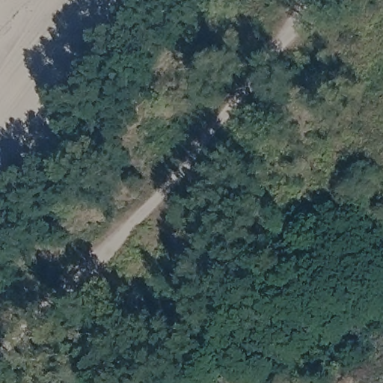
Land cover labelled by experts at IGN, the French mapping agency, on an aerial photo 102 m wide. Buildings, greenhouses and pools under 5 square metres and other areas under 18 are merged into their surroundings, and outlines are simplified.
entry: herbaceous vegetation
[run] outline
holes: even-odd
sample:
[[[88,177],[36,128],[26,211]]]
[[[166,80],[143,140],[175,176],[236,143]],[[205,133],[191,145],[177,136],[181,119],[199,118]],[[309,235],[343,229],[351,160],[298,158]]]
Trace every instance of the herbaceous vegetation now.
[[[103,272],[102,278],[105,278],[106,283],[117,283],[127,287],[138,287],[145,283],[141,277],[120,277],[117,268],[108,262],[103,262],[106,271]]]
[[[186,232],[186,229],[174,229],[166,221],[165,209],[160,209],[160,217],[157,220],[159,244],[151,253],[147,250],[141,253],[145,268],[153,275],[165,277],[166,274],[172,274],[181,260],[181,254],[190,245],[190,233]]]
[[[72,347],[81,347],[81,352],[69,361],[72,373],[78,371],[78,362],[93,349],[93,343],[87,341],[88,329],[81,328],[79,338]]]
[[[153,69],[160,72],[156,90],[150,99],[136,105],[138,117],[127,127],[127,132],[123,135],[123,145],[129,150],[138,145],[139,133],[136,129],[145,118],[172,118],[174,115],[181,117],[184,112],[189,111],[187,100],[184,99],[187,82],[186,79],[181,79],[180,75],[180,72],[186,72],[186,66],[183,63],[183,52],[175,51],[162,51],[157,63],[154,64]]]
[[[67,212],[61,223],[61,226],[66,227],[70,233],[76,233],[87,229],[87,221],[102,221],[105,215],[96,208],[79,209],[76,206]]]
[[[33,280],[15,281],[12,284],[16,295],[13,308],[27,308],[28,302],[45,301],[48,295],[60,298],[70,289],[81,289],[87,281],[81,277],[78,281],[73,280],[75,269],[79,268],[78,263],[82,257],[87,256],[94,247],[105,241],[105,236],[97,239],[93,245],[79,239],[67,244],[66,250],[60,256],[54,257],[48,265],[42,266],[37,260],[31,263]]]
[[[141,190],[139,193],[133,193],[124,186],[115,194],[114,202],[114,205],[121,209],[112,215],[111,229],[106,236],[120,229],[121,223],[132,215],[132,212],[144,205],[171,174],[178,171],[181,162],[189,162],[190,169],[184,171],[181,180],[175,181],[168,194],[186,197],[187,187],[193,186],[200,178],[200,174],[196,172],[196,165],[205,162],[212,165],[209,154],[214,153],[215,148],[226,142],[229,136],[230,130],[223,124],[218,120],[218,114],[214,109],[211,111],[208,108],[202,112],[199,117],[193,118],[186,142],[181,142],[174,148],[172,154],[165,156],[163,162],[157,163],[153,169],[144,165],[139,171],[132,166],[123,168],[121,180],[126,181],[129,177],[139,178],[142,180]]]
[[[169,313],[172,308],[177,310],[177,305],[172,299],[153,296],[151,299],[141,298],[145,310],[150,313]]]

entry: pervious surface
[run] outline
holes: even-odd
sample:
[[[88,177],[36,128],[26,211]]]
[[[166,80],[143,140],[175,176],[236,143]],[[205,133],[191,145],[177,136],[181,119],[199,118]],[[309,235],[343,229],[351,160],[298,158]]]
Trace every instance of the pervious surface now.
[[[4,349],[30,343],[25,335],[27,323],[21,322],[13,334],[4,335]]]
[[[296,33],[293,28],[295,19],[292,16],[284,21],[283,27],[274,39],[275,45],[281,49],[292,45]]]
[[[248,88],[248,82],[244,87],[233,88],[230,94],[232,99],[227,100],[218,114],[218,120],[223,124],[229,118],[230,109],[244,108],[253,103],[253,93]]]
[[[100,280],[102,278],[103,272],[106,271],[103,262],[108,262],[126,241],[133,227],[147,218],[151,211],[159,208],[168,194],[175,181],[181,180],[184,171],[190,169],[189,162],[181,162],[178,171],[171,174],[144,205],[132,212],[132,215],[121,223],[120,229],[106,236],[105,236],[105,241],[94,247],[87,256],[82,257],[78,263],[79,268],[75,269],[73,280],[78,281],[81,277],[87,281],[93,277]]]

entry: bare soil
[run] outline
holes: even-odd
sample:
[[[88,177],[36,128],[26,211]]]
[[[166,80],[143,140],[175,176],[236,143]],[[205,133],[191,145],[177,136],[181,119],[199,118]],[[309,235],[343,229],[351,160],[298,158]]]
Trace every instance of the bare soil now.
[[[118,0],[0,0],[0,172],[7,166],[21,166],[24,160],[21,159],[21,153],[33,154],[34,151],[45,147],[51,129],[46,126],[46,109],[40,105],[36,90],[43,88],[45,84],[55,87],[60,85],[61,81],[69,79],[72,61],[84,57],[84,52],[88,51],[82,39],[84,30],[100,24],[109,9],[117,6]]]

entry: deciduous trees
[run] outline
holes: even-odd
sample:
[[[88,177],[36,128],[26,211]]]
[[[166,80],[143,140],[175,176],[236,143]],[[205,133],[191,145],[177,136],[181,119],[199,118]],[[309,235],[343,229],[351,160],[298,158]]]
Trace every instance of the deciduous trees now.
[[[189,111],[202,112],[208,108],[211,111],[214,109],[218,114],[227,100],[232,99],[230,94],[233,88],[244,87],[248,82],[248,88],[253,93],[253,103],[244,108],[230,109],[229,118],[223,124],[230,130],[229,136],[226,142],[215,148],[214,153],[209,154],[212,165],[205,162],[196,165],[196,172],[200,174],[200,178],[193,186],[187,187],[186,197],[168,194],[159,208],[160,209],[165,209],[166,221],[174,229],[186,229],[186,232],[190,233],[190,245],[181,254],[181,260],[172,274],[166,274],[165,277],[153,275],[145,283],[138,287],[127,287],[117,283],[106,283],[105,278],[102,278],[100,280],[93,277],[87,281],[81,289],[70,289],[60,298],[48,295],[45,301],[28,302],[27,308],[13,308],[16,295],[12,284],[15,281],[33,280],[31,263],[37,260],[42,266],[48,265],[54,257],[60,256],[66,250],[67,244],[79,239],[76,233],[70,233],[66,227],[61,226],[61,223],[67,212],[76,206],[87,196],[114,202],[115,194],[124,186],[133,193],[139,193],[141,190],[142,180],[139,178],[129,177],[126,181],[121,180],[123,168],[132,166],[129,150],[123,145],[123,135],[127,132],[127,127],[138,117],[136,105],[150,99],[156,90],[160,72],[153,69],[154,64],[157,63],[162,51],[175,51],[181,34],[196,33],[200,22],[206,21],[209,0],[118,0],[117,6],[109,9],[100,24],[84,30],[82,39],[88,51],[84,52],[84,57],[72,61],[69,79],[61,81],[60,85],[55,87],[45,84],[43,88],[36,90],[40,105],[46,109],[46,126],[51,129],[45,147],[34,151],[33,154],[21,153],[21,159],[24,160],[21,166],[7,166],[0,172],[0,383],[340,383],[340,373],[349,374],[349,371],[355,368],[364,367],[368,361],[370,352],[373,352],[370,334],[380,331],[383,334],[383,172],[374,171],[376,160],[373,157],[365,156],[361,162],[353,163],[347,169],[346,178],[335,187],[334,196],[320,205],[314,205],[311,212],[301,212],[298,221],[290,221],[289,229],[283,226],[284,218],[280,211],[254,202],[260,196],[260,190],[268,183],[268,166],[271,163],[272,151],[275,150],[275,141],[289,142],[290,133],[299,130],[299,126],[290,126],[292,112],[287,109],[289,103],[298,100],[299,105],[304,105],[311,111],[326,103],[326,108],[331,114],[338,115],[346,108],[353,109],[361,105],[362,91],[370,84],[361,82],[353,67],[341,61],[340,54],[319,60],[313,51],[310,51],[310,55],[302,55],[299,52],[299,46],[313,48],[313,40],[308,39],[308,36],[313,36],[316,31],[311,30],[311,24],[316,24],[316,21],[331,22],[334,16],[346,15],[355,7],[353,0],[301,0],[296,7],[298,12],[292,16],[295,19],[293,28],[296,33],[292,45],[281,49],[275,45],[274,39],[271,37],[260,51],[251,52],[250,57],[241,57],[238,54],[238,33],[235,30],[227,30],[221,49],[202,49],[193,55],[193,61],[186,66],[186,72],[180,72],[180,75],[181,79],[186,79],[187,82],[184,99],[187,100]],[[151,299],[153,296],[172,299],[177,305],[177,310],[172,308],[169,313],[150,313],[145,310],[141,298]],[[13,334],[21,322],[27,323],[25,335],[30,343],[4,349],[4,335]],[[81,347],[72,347],[79,338],[81,328],[88,329],[87,341],[93,343],[93,349],[78,362],[78,371],[72,373],[69,361],[81,352]]]

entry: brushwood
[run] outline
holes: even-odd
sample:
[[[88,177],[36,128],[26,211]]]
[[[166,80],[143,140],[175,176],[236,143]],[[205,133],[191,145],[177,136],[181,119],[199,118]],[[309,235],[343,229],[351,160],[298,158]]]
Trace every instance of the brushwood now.
[[[238,33],[238,54],[241,57],[250,57],[251,52],[260,51],[271,37],[274,39],[283,27],[284,21],[292,16],[298,12],[296,7],[301,0],[209,0],[206,21],[200,22],[196,33],[181,34],[175,51],[183,52],[183,63],[186,66],[193,61],[193,55],[202,49],[221,49],[227,30],[235,30]]]
[[[364,367],[355,368],[349,371],[349,374],[340,373],[340,383],[383,383],[383,334],[380,331],[370,334],[373,352],[370,352],[368,361]]]
[[[144,165],[153,169],[157,163],[163,162],[165,156],[172,154],[174,148],[181,142],[186,142],[193,118],[199,117],[202,112],[189,111],[184,112],[181,117],[174,115],[172,118],[145,118],[136,129],[139,133],[138,145],[129,150],[132,166],[139,171]]]
[[[114,202],[87,196],[76,206],[79,209],[96,208],[105,215],[102,221],[87,221],[87,229],[76,233],[79,239],[93,245],[97,239],[105,236],[106,236],[111,229],[112,215],[121,209],[114,205]]]
[[[284,218],[283,226],[289,229],[290,221],[298,221],[301,212],[311,212],[314,205],[320,205],[334,196],[335,187],[346,178],[347,169],[353,163],[361,162],[365,156],[373,157],[376,160],[374,171],[383,172],[383,0],[353,0],[355,7],[346,15],[334,16],[331,22],[316,21],[316,24],[311,24],[311,30],[316,31],[313,36],[308,36],[308,39],[313,40],[313,48],[299,46],[299,52],[302,55],[310,55],[310,51],[313,51],[319,60],[340,54],[341,61],[353,67],[361,82],[370,84],[362,91],[361,105],[353,109],[346,108],[338,115],[331,114],[326,108],[326,103],[311,111],[304,105],[299,105],[298,100],[289,103],[287,109],[292,112],[290,126],[299,126],[299,130],[290,133],[289,142],[275,141],[275,150],[272,151],[271,163],[268,166],[268,183],[260,190],[260,196],[254,202],[280,211]]]
[[[151,253],[159,244],[157,220],[160,217],[160,209],[159,208],[151,211],[147,218],[133,227],[126,241],[108,262],[117,268],[120,277],[141,277],[145,283],[153,275],[145,268],[141,253],[147,250]]]

